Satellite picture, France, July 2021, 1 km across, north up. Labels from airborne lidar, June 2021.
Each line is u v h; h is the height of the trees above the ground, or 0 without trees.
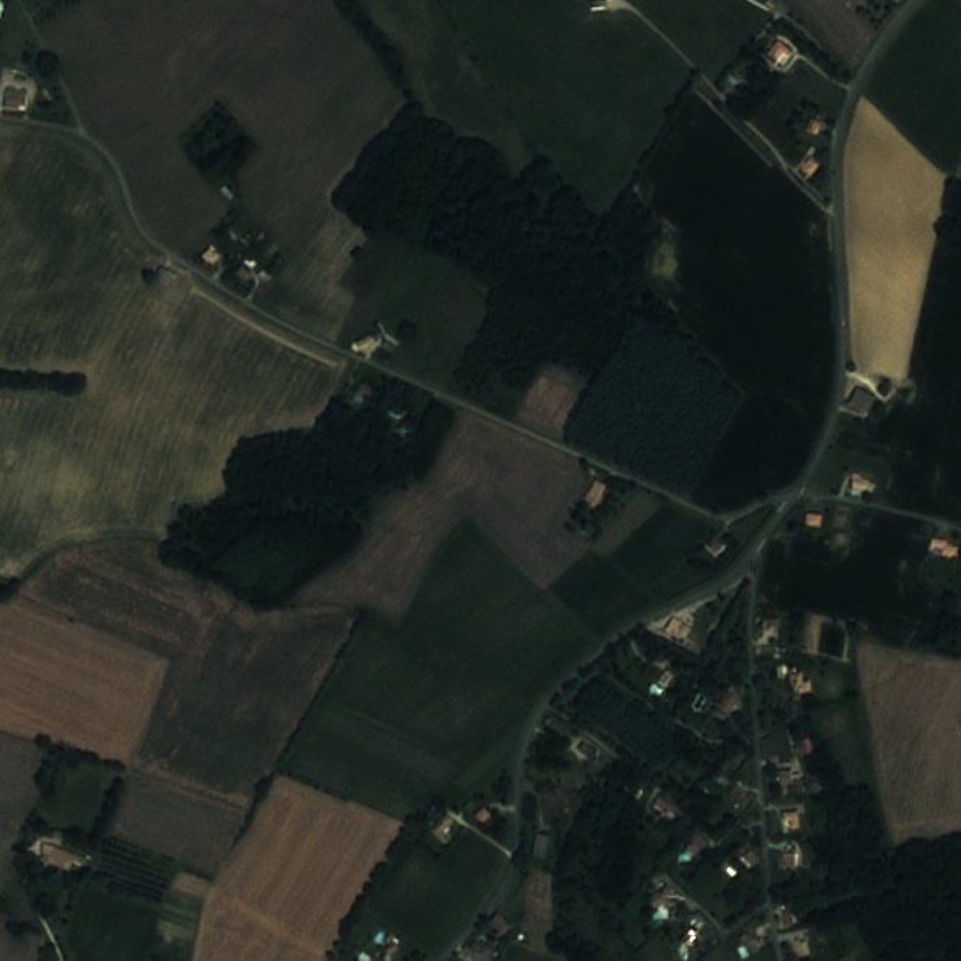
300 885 0
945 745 0
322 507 14
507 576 0
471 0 0
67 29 0
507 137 0
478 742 0
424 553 0
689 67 0
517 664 0
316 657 0
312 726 0
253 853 0
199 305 0
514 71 0
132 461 0
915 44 0
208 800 0
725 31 0
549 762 10
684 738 13
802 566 0
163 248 0
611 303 25
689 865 6
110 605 0
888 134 0
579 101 0
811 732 7
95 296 0
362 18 13
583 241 19
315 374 0
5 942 0
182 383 0
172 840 0
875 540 0
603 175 0
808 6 0
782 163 0
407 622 0
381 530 0
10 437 0
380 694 0
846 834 8
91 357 0
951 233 23
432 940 0
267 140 0
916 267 0
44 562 0
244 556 15
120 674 0
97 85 0
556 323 13
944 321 0
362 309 0
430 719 0
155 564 0
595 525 8
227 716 0
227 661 0
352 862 0
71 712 0
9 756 0
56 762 11
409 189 7
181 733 0
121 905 0
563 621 0
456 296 0
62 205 0
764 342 0
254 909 0
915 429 0
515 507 0
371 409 12
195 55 0
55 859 0
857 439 0
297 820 0
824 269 0
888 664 0
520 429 0
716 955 0
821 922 19
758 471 0
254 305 0
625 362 19
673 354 17
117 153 0
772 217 0
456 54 0
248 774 0
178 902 0
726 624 12
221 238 17
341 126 0
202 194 0
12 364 0
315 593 0
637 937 0
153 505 0
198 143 7
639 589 0
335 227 0
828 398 0
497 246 29
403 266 0
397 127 10
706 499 0
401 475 21
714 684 11
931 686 0
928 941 27
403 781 0
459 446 0
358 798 0
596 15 0
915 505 0
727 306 0
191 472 0
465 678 0
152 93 0
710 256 0
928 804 0
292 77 0
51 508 0
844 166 0
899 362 0
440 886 0
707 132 0
